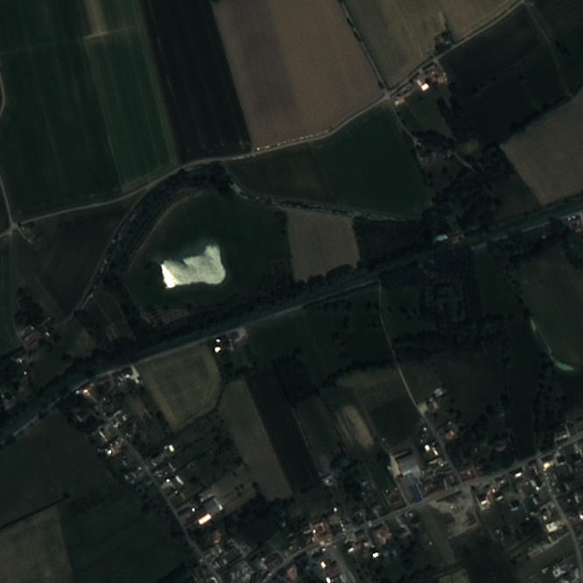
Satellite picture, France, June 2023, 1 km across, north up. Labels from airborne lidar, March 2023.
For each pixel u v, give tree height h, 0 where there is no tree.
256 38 0
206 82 0
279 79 0
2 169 0
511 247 18
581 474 0
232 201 0
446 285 21
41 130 0
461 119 31
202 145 0
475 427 7
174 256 0
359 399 0
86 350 0
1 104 0
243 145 0
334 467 15
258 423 0
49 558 0
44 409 8
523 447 0
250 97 0
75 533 0
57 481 0
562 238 14
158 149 0
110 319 0
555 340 0
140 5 0
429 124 0
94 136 0
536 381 0
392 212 0
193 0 0
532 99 0
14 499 0
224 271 0
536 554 0
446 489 0
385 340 0
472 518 0
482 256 0
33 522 0
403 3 0
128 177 0
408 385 0
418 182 0
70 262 0
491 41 0
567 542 0
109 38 0
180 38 0
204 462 0
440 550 0
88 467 0
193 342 0
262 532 0
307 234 0
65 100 0
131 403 0
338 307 16
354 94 0
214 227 0
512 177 0
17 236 0
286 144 0
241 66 0
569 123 0
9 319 0
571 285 0
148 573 0
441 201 17
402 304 0
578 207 0
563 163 0
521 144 0
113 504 0
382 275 0
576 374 0
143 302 0
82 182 0
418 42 0
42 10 0
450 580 0
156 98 0
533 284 0
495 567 0
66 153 0
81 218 0
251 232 0
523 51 0
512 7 0
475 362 0
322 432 0
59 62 0
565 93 0
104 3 0
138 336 21
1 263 0
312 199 0
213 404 0
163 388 0
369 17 0
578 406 0
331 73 0
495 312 0
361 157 0
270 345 0
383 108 0
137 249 0
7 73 0
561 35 0
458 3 0
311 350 0
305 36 0
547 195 0
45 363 0
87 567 0
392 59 0
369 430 0
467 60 0
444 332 18
